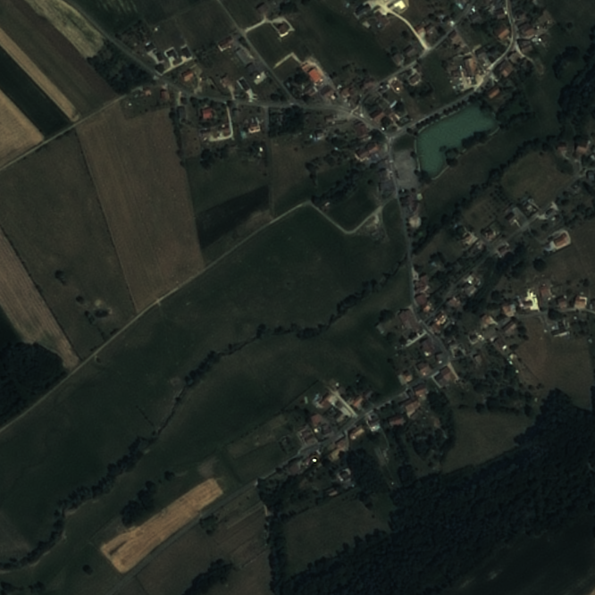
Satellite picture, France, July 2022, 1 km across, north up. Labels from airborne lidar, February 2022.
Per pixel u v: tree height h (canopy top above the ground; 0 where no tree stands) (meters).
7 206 0
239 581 0
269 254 0
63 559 0
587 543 0
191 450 0
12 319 0
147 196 0
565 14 0
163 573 0
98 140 0
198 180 0
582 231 0
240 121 0
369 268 0
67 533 0
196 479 0
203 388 0
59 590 0
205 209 0
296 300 0
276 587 20
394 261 0
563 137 8
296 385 0
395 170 0
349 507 0
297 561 0
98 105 0
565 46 0
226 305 0
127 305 0
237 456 0
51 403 0
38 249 0
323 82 0
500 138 0
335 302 0
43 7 0
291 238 0
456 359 0
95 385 0
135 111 0
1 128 0
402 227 0
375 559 19
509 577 0
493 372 6
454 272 8
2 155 0
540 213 0
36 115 0
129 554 0
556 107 0
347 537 0
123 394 0
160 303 0
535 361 0
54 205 0
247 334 0
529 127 0
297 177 0
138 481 0
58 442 0
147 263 0
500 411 7
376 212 0
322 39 0
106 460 0
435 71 0
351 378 0
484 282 0
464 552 27
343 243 0
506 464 0
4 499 0
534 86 0
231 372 0
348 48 0
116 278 0
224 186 0
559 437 30
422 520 23
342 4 0
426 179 11
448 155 15
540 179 0
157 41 0
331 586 31
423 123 7
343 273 0
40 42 0
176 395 0
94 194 0
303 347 0
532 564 0
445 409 13
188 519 0
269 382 0
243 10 0
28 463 0
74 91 0
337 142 11
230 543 0
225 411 0
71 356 0
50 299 0
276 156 0
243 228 0
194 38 0
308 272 0
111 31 0
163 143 0
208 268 0
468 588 0
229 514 0
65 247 0
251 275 0
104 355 0
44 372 23
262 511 0
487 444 0
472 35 0
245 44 6
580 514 19
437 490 12
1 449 0
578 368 0
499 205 0
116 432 0
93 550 0
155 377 0
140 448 16
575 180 0
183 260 0
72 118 0
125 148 0
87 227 0
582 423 29
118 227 0
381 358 0
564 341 0
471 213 0
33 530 0
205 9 0
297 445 0
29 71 0
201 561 0
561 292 0
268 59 0
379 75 0
